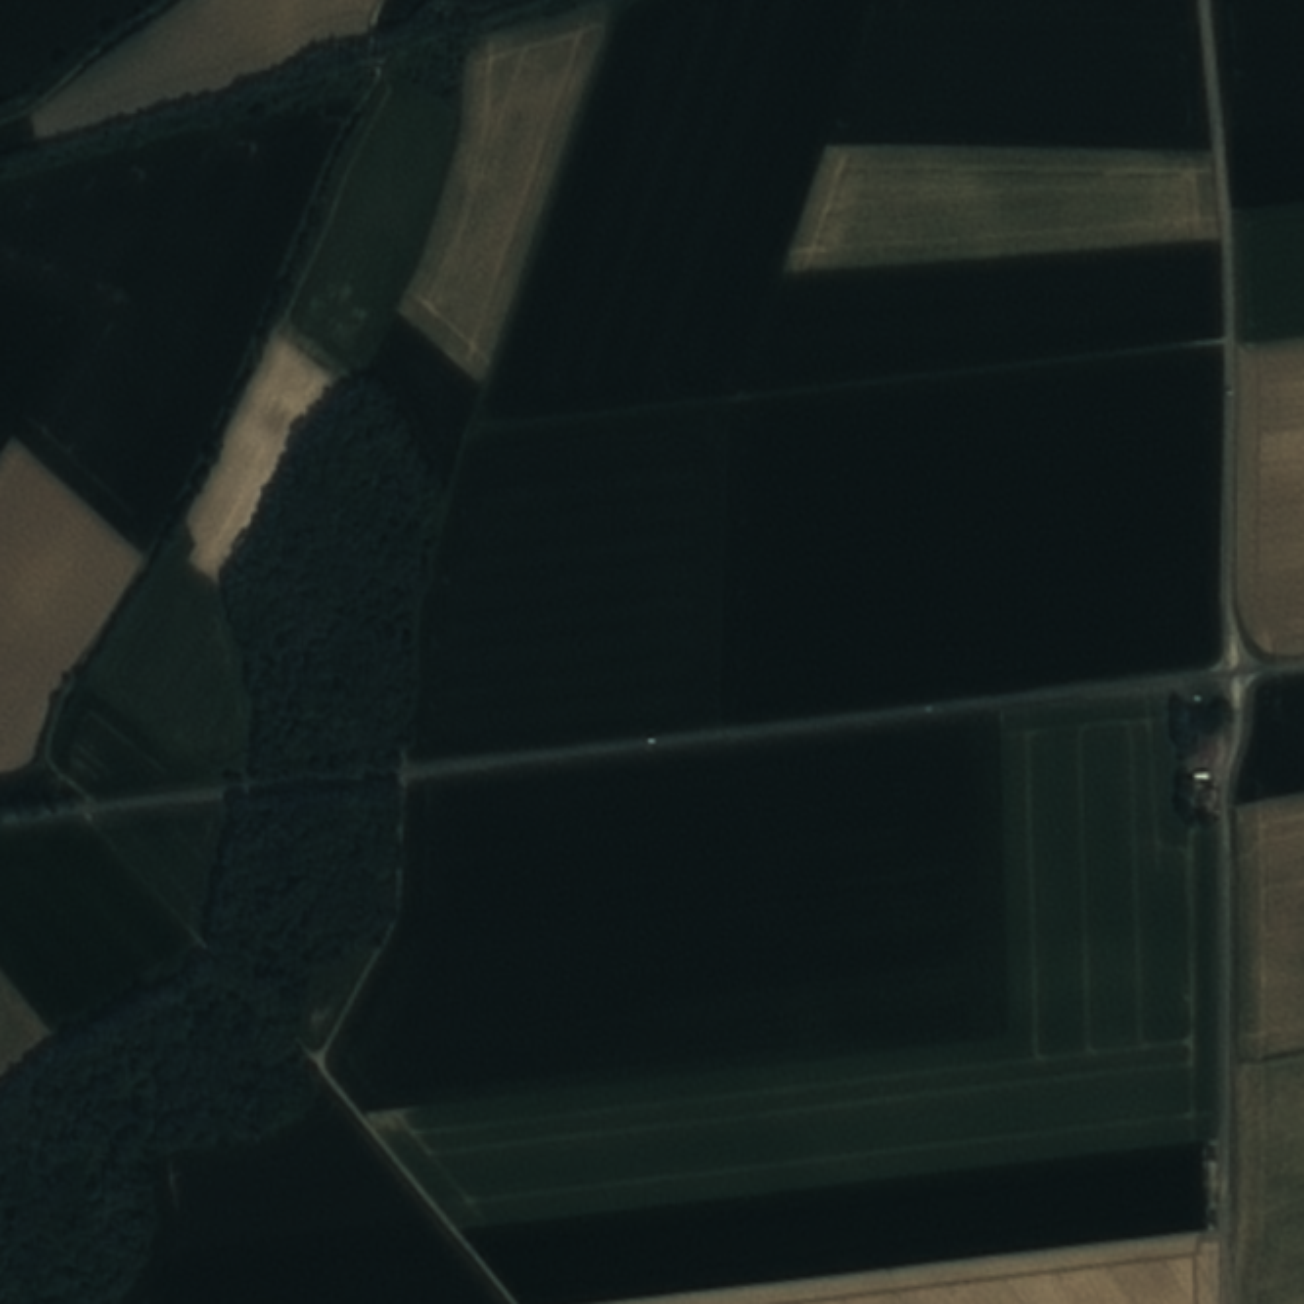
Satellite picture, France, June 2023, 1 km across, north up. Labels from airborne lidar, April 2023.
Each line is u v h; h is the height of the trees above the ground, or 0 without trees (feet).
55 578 0
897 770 0
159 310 0
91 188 0
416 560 57
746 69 0
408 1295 0
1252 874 0
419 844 0
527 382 0
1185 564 0
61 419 0
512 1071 0
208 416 0
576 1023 0
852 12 0
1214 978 0
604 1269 0
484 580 0
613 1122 0
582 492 0
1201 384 0
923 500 0
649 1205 0
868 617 0
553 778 0
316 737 69
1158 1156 0
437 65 22
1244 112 0
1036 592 0
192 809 0
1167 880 0
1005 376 0
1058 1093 0
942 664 0
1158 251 0
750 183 0
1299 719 0
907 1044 0
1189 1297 0
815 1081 0
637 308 0
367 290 0
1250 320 0
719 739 0
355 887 60
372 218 0
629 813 0
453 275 0
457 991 0
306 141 0
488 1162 0
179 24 0
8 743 0
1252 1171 0
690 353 0
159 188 0
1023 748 0
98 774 0
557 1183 0
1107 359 0
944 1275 0
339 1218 0
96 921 0
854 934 0
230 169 0
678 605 0
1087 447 0
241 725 0
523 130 0
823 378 0
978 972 0
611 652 0
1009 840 0
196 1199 0
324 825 69
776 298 0
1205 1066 0
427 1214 0
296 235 0
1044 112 0
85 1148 69
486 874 0
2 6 0
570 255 0
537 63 0
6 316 0
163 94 0
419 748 0
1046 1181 0
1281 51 0
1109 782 0
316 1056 0
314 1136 0
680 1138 0
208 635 0
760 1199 0
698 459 0
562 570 0
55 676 0
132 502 0
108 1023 53
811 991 0
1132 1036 0
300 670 62
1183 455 0
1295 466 0
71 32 0
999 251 0
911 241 0
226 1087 67
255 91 29
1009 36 0
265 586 66
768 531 0
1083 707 0
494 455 0
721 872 0
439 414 0
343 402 51
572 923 0
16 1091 59
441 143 0
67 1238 68
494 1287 0
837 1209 0
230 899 60
